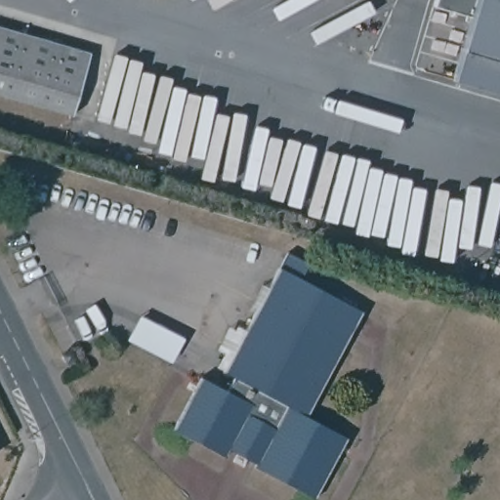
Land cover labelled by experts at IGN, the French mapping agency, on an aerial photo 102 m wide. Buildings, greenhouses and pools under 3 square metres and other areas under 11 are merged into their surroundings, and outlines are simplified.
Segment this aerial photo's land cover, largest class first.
<instances>
[{"label":"impervious surface","instance_id":"1","mask_svg":"<svg viewBox=\"0 0 500 500\"><path fill-rule=\"evenodd\" d=\"M482 14V2L479 0H475L471 14H461L443 10L439 0H0V29H16L27 35L57 41L62 45L92 53L82 100L78 104L76 115L70 117V125L66 129H57L21 115L0 111V133L10 131L14 135H27L45 143L78 148L82 152L109 158L125 166H139L141 170L152 172L150 191H152L162 184V178L170 176L191 186L223 191L232 197H242L250 203L266 205L279 211V223H283L285 213L305 217L301 223L303 227H312L318 219L334 223L324 232L322 238L330 244L332 254L338 252L340 244H350L359 252H369L377 258L400 262L404 264V268L428 271L437 277H453L457 283H465L471 291L486 289L500 293V109H488L480 102L479 94L463 82V59L467 57L465 49L473 43L477 21ZM275 270H283L299 279L309 281L318 289L363 311L357 318L361 324L357 326L354 336L346 338L342 352L336 357L340 371L332 375L326 391L322 393L312 412L314 422L348 437L334 465L330 467L328 475L320 484V490L316 494L318 500H352L377 451L383 447L385 439L393 434V430H385L383 436L371 434L377 418L375 406H371L365 412H355L348 418H342L338 412L330 408L332 400H328L326 395L334 385L336 375L344 377L348 373L350 379H359L363 383V389L369 398L377 400L383 393V379L379 371L383 369L387 330L385 326L375 324L369 318L373 301L342 281L307 270L305 250L293 248L289 256H285L273 248H258V244L254 242H242L232 236L217 234L213 230L178 225L176 219H170L166 223L164 219L156 217L154 211H146L145 215H141L139 209L127 203H113L94 193H88L86 187L64 189L61 180H57L53 187L51 207L33 215L29 219V225H25L23 230H16L10 234L0 229V395L4 393L10 398L14 410L20 416L23 451L16 477L6 492L8 496H12V500H123V494L113 482L111 473L107 471L102 449L94 445V437L90 430L86 428L82 410L74 402V398L70 395L66 383L62 381L64 369L78 363V359H86L88 365L94 369L98 361H107L100 355L98 348L92 350V346L88 344V340L100 338L105 334V330L119 342V348L125 352L131 344L129 338L137 328L139 320L148 318L184 338V346L176 361L164 359L160 367L168 375V381L150 406L148 418L141 428V439L137 449L160 473H164L186 494L187 500H266L264 496L244 486V475L240 469L246 467L248 461L246 457L234 455V463L219 473L197 463L193 457H186L174 459L156 449L152 443V432L160 424H174L178 420V414L186 406L189 395L187 383L203 379L219 385L236 398L244 395L232 387L229 373L221 371V346L225 344L229 330L246 328V320L252 318V307L258 301L260 291L271 285Z\"/></svg>","mask_w":500,"mask_h":500},{"label":"herbaceous vegetation","instance_id":"2","mask_svg":"<svg viewBox=\"0 0 500 500\"><path fill-rule=\"evenodd\" d=\"M0 111L21 115L57 129H66L70 125V117L51 109L4 100L0 96ZM0 156L8 160L12 170L21 172V184L29 189L31 195L29 213L33 215L51 207L53 187L57 180H61L64 189L86 187L88 193H94L113 203H127L139 209L141 215H145L146 211H154L156 217L164 219L166 223L170 219H176L178 225L213 230L217 234L232 236L242 242H254L258 244V248H273L285 256H289L293 248L305 250L307 246H311V238L301 236L299 232L277 229L271 223L262 225L256 219L246 221L232 213L209 211L207 207L189 205L152 191H150L139 187L121 186L111 180L82 174L70 168H64L61 172L49 166L47 162L12 156L8 148L0 150ZM373 301L369 318L375 324L385 326L387 330L383 369L379 371L383 379V393L377 400L375 406L377 418L371 434L383 436L385 430H393V434L385 439L383 447L377 451L352 500H500V320L479 312L465 311L455 305H436L424 299H404L395 293L375 291L373 287L365 285L352 275H344L342 281ZM463 453L469 461H473L471 473L465 477L455 473L451 467V463ZM164 359L131 344L125 352L117 361H98L92 373L72 383H66L70 395L74 398H78L82 393L86 398L102 406L100 414L105 420L98 426H92L90 430L94 437V445L102 449L107 471L111 473L113 482L123 494V500H187L186 494L164 473H160L137 449L141 439V428L148 418L150 406L168 381V375L160 367ZM23 451L10 443L6 432L0 426V500H12V496H8L6 492L16 477ZM186 457H193L197 463L219 473L234 463V455H221L205 447L203 443L193 441L189 445ZM244 475V486L264 496L266 500H293V496L299 492L297 488L260 471L256 463L248 461L246 467L240 469Z\"/></svg>","mask_w":500,"mask_h":500},{"label":"building","instance_id":"3","mask_svg":"<svg viewBox=\"0 0 500 500\"><path fill-rule=\"evenodd\" d=\"M443 10L461 14H471L475 0H439ZM482 2V14L477 21L473 43L465 49L467 57L463 59V82L479 94L480 102L488 109H500V0H479ZM92 53L62 45L57 41L27 35L16 29H0V96L4 100L51 109L70 117L76 115L78 104L82 100ZM363 311L318 289L309 281L299 279L283 270H275L271 285L260 291L258 301L252 307V318L246 320V328L229 330L225 344L221 346V371L229 373L232 387L244 395L236 398L219 385L203 379L187 383L189 395L186 406L178 414V420L174 424V428L182 436H187L193 441L203 443L205 447L221 455H234L246 457L248 461L256 463L260 471L297 488L299 492L293 496V500H318L316 494L320 490V484L328 475L330 467L334 465L348 437L314 422L312 412L322 393L326 391L332 375L340 371L336 357L342 352L346 338L354 336L357 326L361 324L357 318ZM131 344L164 359L176 361L184 346V338L148 318L139 320L137 328L129 338Z\"/></svg>","mask_w":500,"mask_h":500},{"label":"deciduous trees","instance_id":"4","mask_svg":"<svg viewBox=\"0 0 500 500\"><path fill-rule=\"evenodd\" d=\"M8 148L12 156L47 162L49 166L61 172L64 168H70L82 174L111 180L121 186L139 187L150 191L152 172L141 170L139 166H125L109 158L82 152L78 148L45 143L27 135H14L10 131L0 133V150ZM31 195L29 189L21 184V172L12 170L8 160L0 156V229L10 234L16 230H23L25 225H29V219L33 215L29 213ZM189 205L207 207L209 211L232 213L246 221L256 219L262 225L271 223L277 229L299 232L301 236L311 238V246H307L305 250L307 270L342 281L344 275H352L365 285L373 287L375 291L395 293L404 299H424L436 305H455L465 311L479 312L500 320V293L486 289L471 291L465 283H457L453 277H437L428 271L404 268V264L400 262L377 258L369 252H359L350 244H340L338 252L332 254L330 244L322 238L324 232L334 223L318 219L312 227H303L301 223L305 217L285 213L283 223H279V211L266 205L250 203L242 197H232L223 191L191 186L170 176L162 178V184L152 191ZM88 344L92 346V350L98 348L100 355L107 361H117L125 352L119 348V342L105 330V334L100 338L88 340ZM94 369L88 365L86 359H78V363L64 369L62 381L66 383H72L92 373ZM328 400H332L330 408L338 412L342 418H348L355 412H365L371 406H375L377 400L369 398L363 389V383L359 379H350L348 373L344 377L336 375L334 385L326 395ZM74 402L82 410L86 428L90 430L92 426H98L105 420L100 414L102 406L86 398L82 393L78 398H74ZM152 443L156 449L174 459L186 457L189 445L193 441L187 436H182L174 428V424H160L152 432ZM473 461H469L463 453L451 463V467L455 473L465 477L471 473Z\"/></svg>","mask_w":500,"mask_h":500},{"label":"brushwood","instance_id":"5","mask_svg":"<svg viewBox=\"0 0 500 500\"><path fill-rule=\"evenodd\" d=\"M0 426L6 432L10 443L23 451L20 416L14 410L10 398L4 393L0 395Z\"/></svg>","mask_w":500,"mask_h":500}]
</instances>
